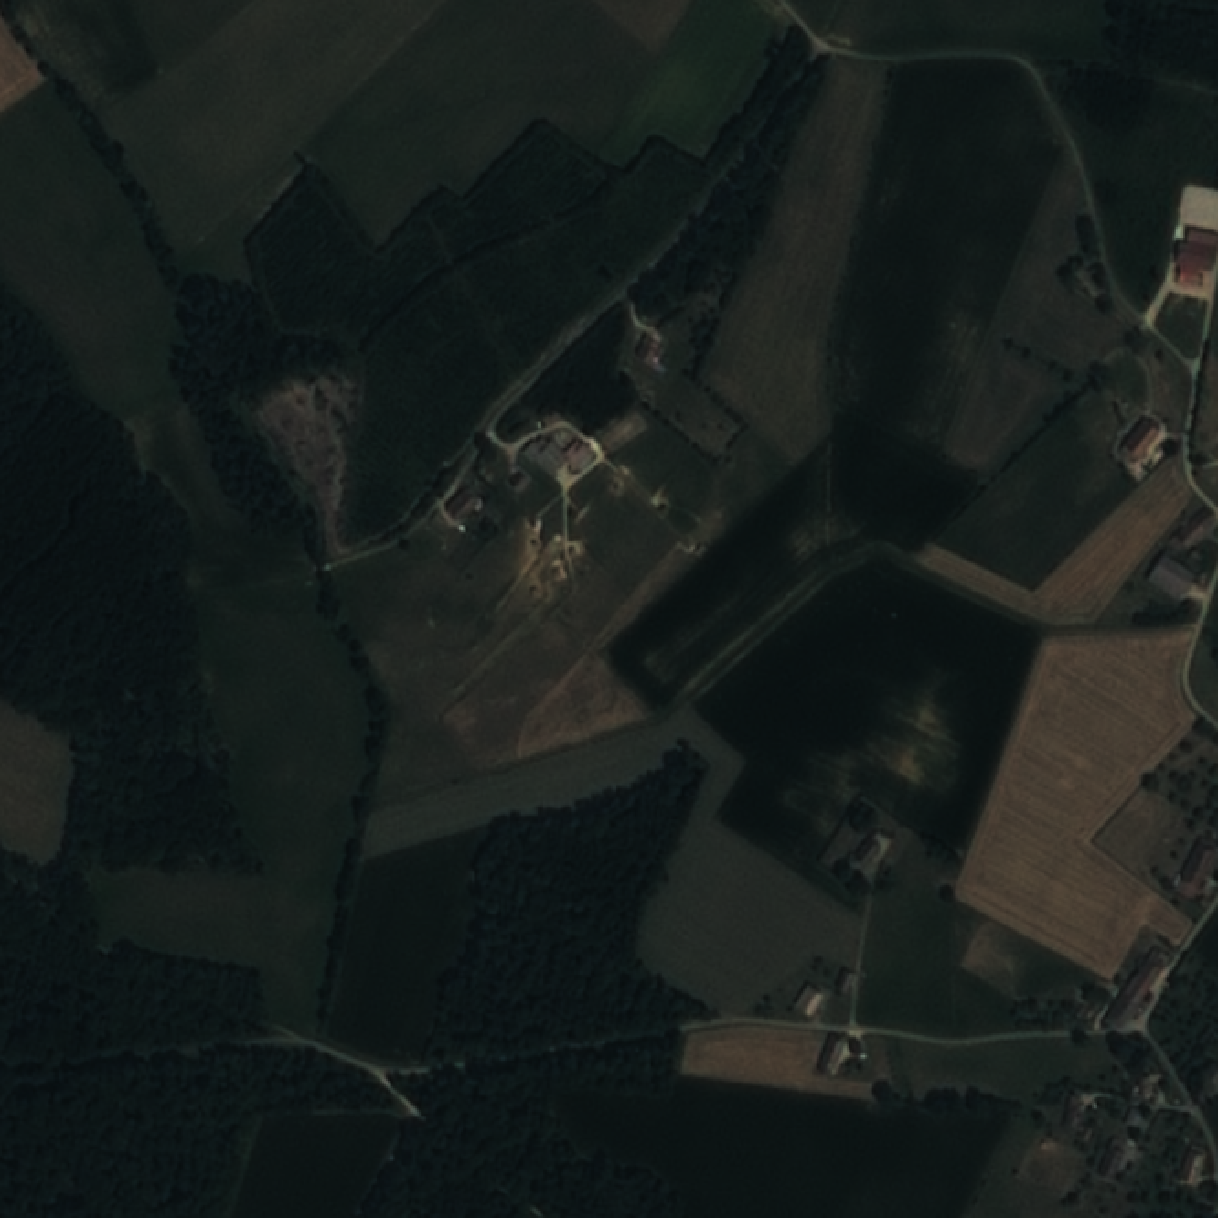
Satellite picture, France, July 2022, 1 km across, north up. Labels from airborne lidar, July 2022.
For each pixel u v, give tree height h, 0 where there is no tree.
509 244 8
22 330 15
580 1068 21
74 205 0
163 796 22
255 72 0
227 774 16
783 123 19
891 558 0
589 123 0
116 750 23
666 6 0
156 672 23
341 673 0
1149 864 0
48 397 14
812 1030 0
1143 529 0
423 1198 12
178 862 21
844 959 0
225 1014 15
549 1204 19
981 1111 14
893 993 0
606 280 14
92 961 18
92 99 0
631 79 0
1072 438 0
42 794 0
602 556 0
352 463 0
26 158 0
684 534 0
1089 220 14
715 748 0
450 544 0
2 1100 22
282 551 0
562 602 0
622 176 8
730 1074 0
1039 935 0
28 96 0
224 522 0
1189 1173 0
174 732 20
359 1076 13
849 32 0
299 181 7
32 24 0
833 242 0
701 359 8
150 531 18
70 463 22
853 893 14
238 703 0
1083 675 0
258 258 7
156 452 0
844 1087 0
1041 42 0
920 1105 7
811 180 0
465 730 0
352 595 0
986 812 0
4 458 23
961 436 0
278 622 0
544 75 0
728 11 0
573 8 0
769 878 0
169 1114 25
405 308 11
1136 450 0
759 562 0
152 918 0
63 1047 26
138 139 0
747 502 0
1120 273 0
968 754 0
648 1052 14
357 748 0
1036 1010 9
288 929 0
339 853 0
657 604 0
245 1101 20
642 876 13
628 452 0
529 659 0
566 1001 19
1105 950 0
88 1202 24
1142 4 8
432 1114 16
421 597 0
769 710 0
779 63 22
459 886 0
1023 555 0
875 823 12
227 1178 16
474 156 0
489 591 0
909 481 0
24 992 16
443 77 0
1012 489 0
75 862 15
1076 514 0
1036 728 0
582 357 11
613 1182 18
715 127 0
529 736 0
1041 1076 0
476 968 17
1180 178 0
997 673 0
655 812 20
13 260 0
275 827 0
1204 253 0
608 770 0
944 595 0
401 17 0
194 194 0
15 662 27
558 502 0
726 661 0
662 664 0
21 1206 23
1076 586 0
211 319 23
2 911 20
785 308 0
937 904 0
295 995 0
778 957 0
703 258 16
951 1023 0
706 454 6
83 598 25
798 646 0
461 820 0
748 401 0
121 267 0
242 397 8
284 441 0
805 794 0
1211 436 0
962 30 0
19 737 0
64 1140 23
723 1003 0
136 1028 18
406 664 0
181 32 0
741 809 0
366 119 0
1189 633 0
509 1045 22
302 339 6
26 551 23
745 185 17
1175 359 0
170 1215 21
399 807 0
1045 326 0
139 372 0
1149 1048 13
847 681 0
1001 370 0
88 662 18
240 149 0
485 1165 18
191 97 0
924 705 0
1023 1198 0
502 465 0
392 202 0
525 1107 20
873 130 0
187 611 19
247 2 0
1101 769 0
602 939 20
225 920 0
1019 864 0
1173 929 0
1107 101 8
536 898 20
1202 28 11
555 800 0
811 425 0
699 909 0
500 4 0
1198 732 6
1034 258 0
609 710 0
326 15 0
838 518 0
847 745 0
